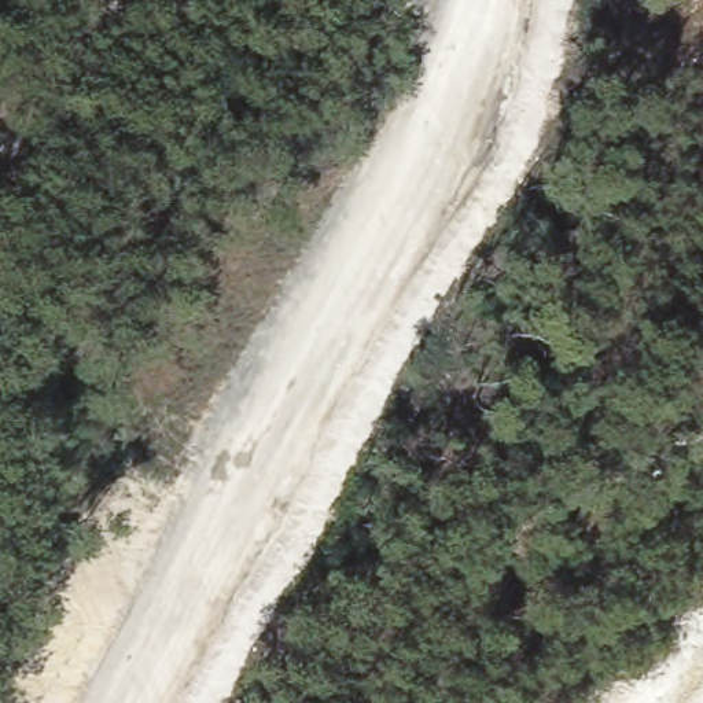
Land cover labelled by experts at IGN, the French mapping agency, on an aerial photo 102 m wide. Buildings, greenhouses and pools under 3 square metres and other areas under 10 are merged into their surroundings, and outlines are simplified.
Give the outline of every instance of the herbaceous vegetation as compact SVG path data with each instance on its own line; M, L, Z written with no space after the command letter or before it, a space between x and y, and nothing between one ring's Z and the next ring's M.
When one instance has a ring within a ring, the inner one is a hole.
M459 280L450 283L445 294L437 294L434 316L420 321L417 343L401 365L393 393L382 415L376 417L371 437L360 448L354 467L346 472L343 489L332 503L324 533L330 541L338 541L343 522L360 516L379 497L382 475L412 467L423 456L426 445L442 450L450 439L459 437L459 428L464 428L467 420L483 415L472 404L483 384L481 360L497 354L503 346L497 343L497 321L481 319L483 297L481 291L472 291L475 277L464 272Z
M121 442L146 439L151 445L154 459L140 467L146 478L162 483L173 483L181 475L181 470L187 467L184 448L192 437L192 423L200 420L200 415L209 409L214 387L236 365L255 327L269 316L272 308L277 308L277 297L283 294L283 277L297 266L305 244L316 233L327 209L332 206L332 198L343 184L343 176L354 170L371 151L382 121L376 113L365 113L362 124L352 126L346 151L335 165L319 173L321 178L316 195L308 203L297 206L291 225L269 236L250 236L233 253L217 258L222 264L220 302L211 310L214 321L206 327L206 338L192 352L178 354L168 373L146 384L140 395L140 409L135 415L115 417L115 431Z

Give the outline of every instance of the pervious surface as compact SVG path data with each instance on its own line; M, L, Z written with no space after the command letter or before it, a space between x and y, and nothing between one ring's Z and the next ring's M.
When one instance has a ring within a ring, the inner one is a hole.
M560 113L560 93L552 82L563 69L566 19L574 0L423 0L423 14L426 22L434 27L434 36L426 44L420 88L415 96L398 99L395 110L387 113L382 121L371 151L354 170L343 176L343 184L332 198L332 206L327 209L316 233L305 244L297 266L283 277L283 294L277 297L277 308L272 308L269 316L255 327L236 365L214 387L209 409L200 415L200 420L192 423L192 437L184 448L187 467L181 470L181 475L173 483L162 483L146 478L140 467L129 470L110 486L107 494L102 494L96 505L102 549L96 557L80 563L77 571L69 577L69 585L63 590L63 621L52 629L49 643L16 673L14 703L225 703L277 596L297 579L302 566L313 555L319 535L324 533L332 503L343 489L346 472L354 467L360 448L371 437L376 417L382 415L393 393L401 365L417 343L420 321L434 316L437 294L445 294L450 283L459 280L464 272L470 253L481 244L486 228L497 222L500 206L505 206L514 198L514 189L525 181L527 165L538 148L538 137L546 118L555 118Z
M665 662L648 670L648 676L640 681L615 681L607 692L601 692L601 703L703 703L703 610L687 612L681 618L676 654L670 654Z
M8 110L8 104L0 102L0 154L5 159L14 159L22 148L19 137L25 135L8 129L14 113Z

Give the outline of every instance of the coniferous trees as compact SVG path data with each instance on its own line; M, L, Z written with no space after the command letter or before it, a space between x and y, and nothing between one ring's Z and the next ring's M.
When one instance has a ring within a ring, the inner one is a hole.
M321 178L319 173L335 165L346 151L352 126L362 124L365 113L376 113L382 121L387 113L395 110L398 99L415 96L420 88L426 44L434 36L434 27L426 22L423 14L423 0L0 0L0 102L8 104L8 110L14 113L8 129L25 135L19 137L22 148L14 159L5 159L0 154L0 703L14 703L16 673L49 643L52 629L63 621L63 590L69 585L69 577L77 571L80 563L96 557L102 549L96 505L102 494L107 494L110 486L129 470L140 467L154 459L151 445L146 439L121 442L115 431L115 417L135 415L140 409L140 395L146 384L168 373L178 354L192 352L206 338L206 327L214 321L211 310L220 302L222 264L217 258L233 253L250 236L269 236L291 225L297 206L308 203L316 195Z
M640 681L648 676L648 670L665 662L670 654L676 654L681 618L687 612L703 610L703 0L574 0L566 19L563 69L552 82L560 93L560 113L555 118L546 118L538 137L538 148L527 165L525 181L514 189L514 198L505 206L500 206L497 222L486 228L481 244L470 253L464 272L475 277L472 291L481 291L483 297L481 319L497 321L497 343L503 346L497 354L481 360L483 384L472 404L483 415L467 420L464 428L459 428L459 437L450 439L442 450L426 445L423 456L412 467L382 475L379 497L360 516L343 522L338 541L330 541L324 533L319 535L313 555L302 566L297 579L277 596L225 703L601 703L601 692L607 692L615 681Z

